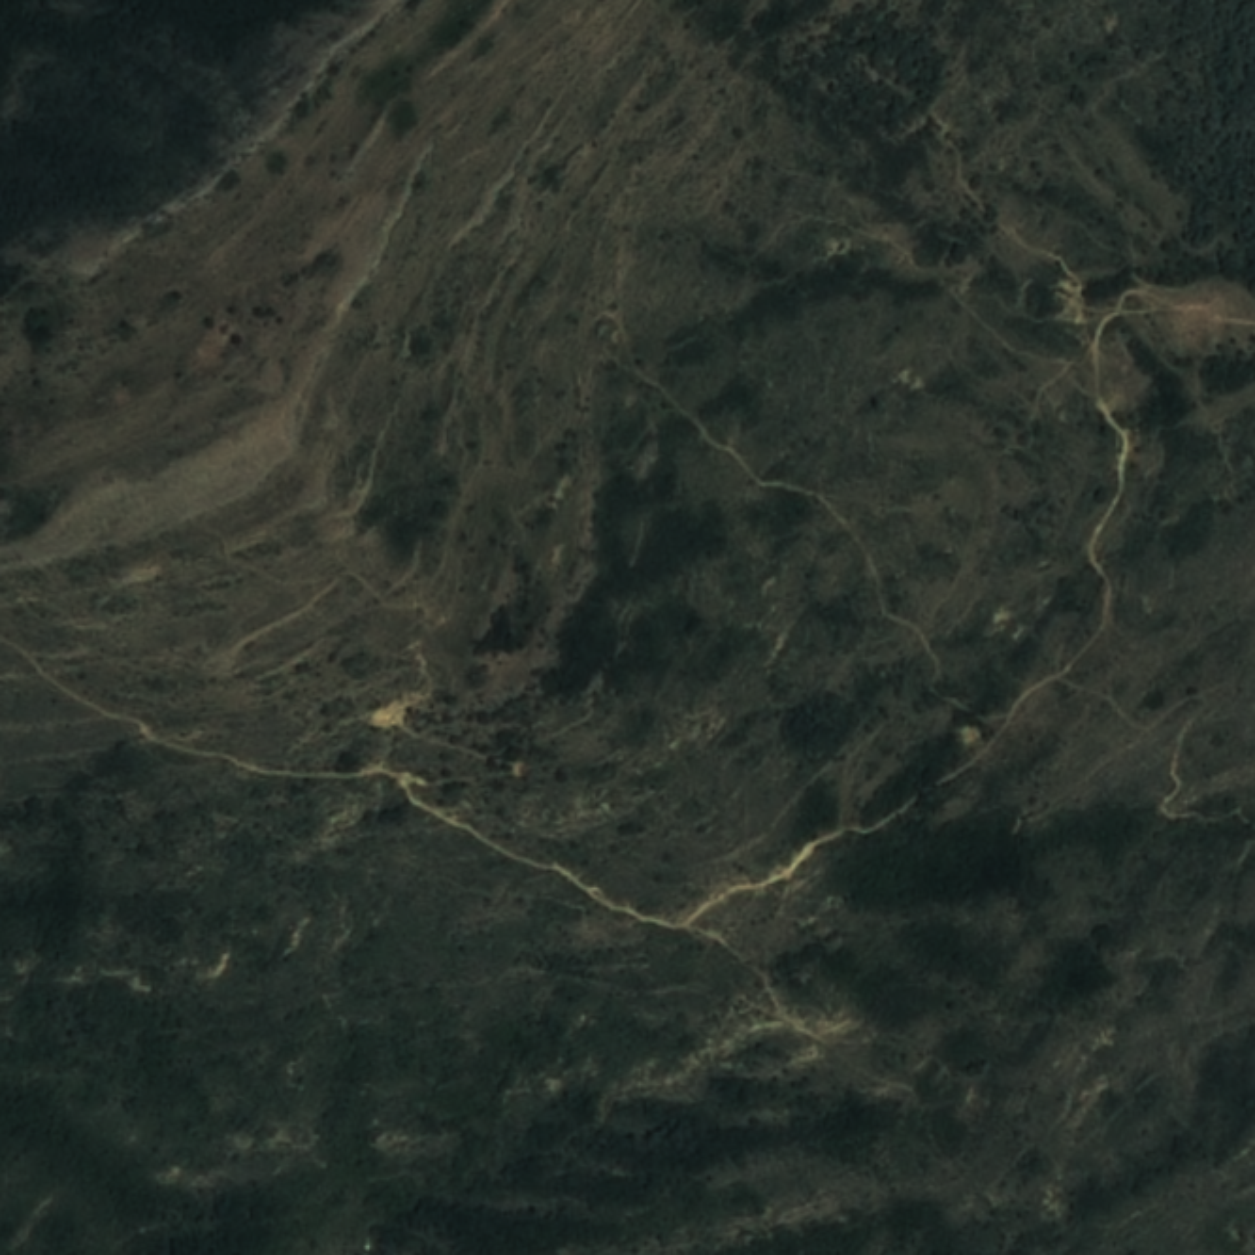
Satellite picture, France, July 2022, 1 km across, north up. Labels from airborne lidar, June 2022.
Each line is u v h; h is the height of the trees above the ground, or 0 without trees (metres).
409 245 0
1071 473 0
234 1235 7
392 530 0
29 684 0
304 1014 6
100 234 0
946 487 0
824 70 13
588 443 0
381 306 0
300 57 0
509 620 7
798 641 0
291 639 0
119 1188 8
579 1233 7
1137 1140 0
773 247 0
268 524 0
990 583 0
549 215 0
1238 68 11
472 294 0
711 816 0
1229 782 0
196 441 0
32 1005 8
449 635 0
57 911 10
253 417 0
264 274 0
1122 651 0
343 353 0
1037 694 0
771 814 0
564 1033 6
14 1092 6
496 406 0
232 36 7
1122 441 0
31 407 0
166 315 0
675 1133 11
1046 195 9
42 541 0
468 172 0
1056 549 0
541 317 0
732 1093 7
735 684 0
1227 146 13
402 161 0
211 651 0
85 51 9
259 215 0
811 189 0
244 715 0
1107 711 0
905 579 0
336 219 0
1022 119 0
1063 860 0
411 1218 7
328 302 0
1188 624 0
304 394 0
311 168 0
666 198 0
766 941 0
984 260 6
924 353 0
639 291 0
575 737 0
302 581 0
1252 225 12
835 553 0
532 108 0
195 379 0
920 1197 0
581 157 0
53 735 0
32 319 8
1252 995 0
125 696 0
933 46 8
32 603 0
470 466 0
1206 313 0
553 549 0
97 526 0
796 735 6
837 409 0
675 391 0
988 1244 0
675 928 0
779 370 0
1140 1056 0
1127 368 0
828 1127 6
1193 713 0
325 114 0
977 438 0
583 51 0
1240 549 0
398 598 0
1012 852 6
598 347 0
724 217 0
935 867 9
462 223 0
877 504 0
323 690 0
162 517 0
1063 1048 0
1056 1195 0
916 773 7
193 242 0
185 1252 10
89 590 0
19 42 6
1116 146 0
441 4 0
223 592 0
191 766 0
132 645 0
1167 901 0
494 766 9
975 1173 0
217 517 0
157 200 0
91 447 0
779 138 0
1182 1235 0
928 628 0
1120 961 0
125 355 0
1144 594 0
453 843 0
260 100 0
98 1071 6
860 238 0
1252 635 0
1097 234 0
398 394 0
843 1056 0
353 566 0
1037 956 0
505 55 0
